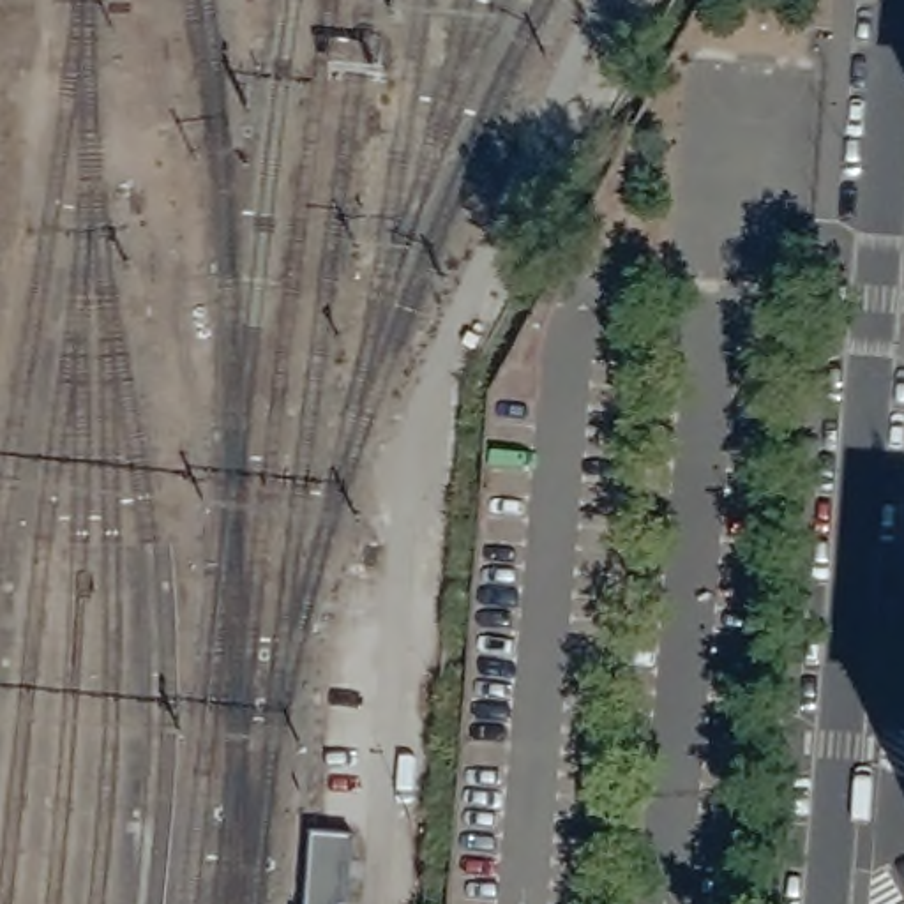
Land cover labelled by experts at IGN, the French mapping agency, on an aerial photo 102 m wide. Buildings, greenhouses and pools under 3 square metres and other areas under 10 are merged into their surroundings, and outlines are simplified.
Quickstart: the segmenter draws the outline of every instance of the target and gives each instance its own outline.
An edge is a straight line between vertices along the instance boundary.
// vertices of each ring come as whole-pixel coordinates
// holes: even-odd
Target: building
[[[332,840],[335,833],[311,830],[304,904],[357,904],[364,897],[364,883],[350,876],[350,844]]]

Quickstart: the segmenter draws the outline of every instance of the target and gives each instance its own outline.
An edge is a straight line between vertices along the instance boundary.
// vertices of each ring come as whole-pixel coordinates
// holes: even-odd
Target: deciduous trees
[[[554,293],[554,286],[565,293],[579,293],[583,272],[590,265],[590,251],[604,237],[611,240],[607,222],[600,222],[600,212],[593,208],[593,194],[611,170],[611,159],[618,155],[622,127],[604,127],[583,141],[561,187],[547,191],[537,180],[526,180],[519,194],[501,194],[498,219],[484,230],[484,244],[494,247],[494,268],[509,293],[501,314],[530,314],[540,300]]]
[[[798,674],[787,674],[787,664],[802,664],[812,643],[830,646],[830,622],[812,618],[812,569],[819,526],[809,523],[809,516],[802,516],[802,509],[812,509],[812,501],[823,494],[826,470],[812,452],[809,424],[819,424],[830,413],[844,417],[844,403],[830,396],[837,374],[833,350],[840,350],[844,335],[851,335],[865,321],[869,307],[855,300],[837,304],[837,268],[826,268],[833,258],[819,244],[819,233],[787,233],[780,261],[773,268],[770,304],[756,307],[749,346],[742,350],[749,378],[735,388],[731,399],[731,406],[742,406],[766,427],[766,434],[759,456],[749,456],[745,466],[731,470],[731,477],[742,477],[749,484],[749,519],[735,523],[738,540],[731,544],[731,551],[759,579],[759,600],[749,604],[745,629],[752,643],[749,657],[756,682],[742,682],[720,692],[727,699],[720,713],[731,717],[735,727],[735,759],[724,787],[724,805],[738,816],[724,865],[731,876],[749,879],[749,893],[738,893],[731,904],[787,904],[787,893],[773,890],[773,879],[784,876],[798,858],[809,858],[809,844],[798,840],[798,826],[791,823],[798,802],[795,780],[802,756],[784,738],[784,727],[802,717],[805,685]]]
[[[639,215],[657,215],[667,208],[667,148],[664,131],[657,124],[653,131],[632,131],[632,155],[622,166],[618,184],[625,208]]]
[[[731,35],[749,14],[777,14],[780,25],[802,28],[816,14],[816,0],[703,0],[692,18],[713,35]]]
[[[417,777],[410,904],[448,904],[452,844],[459,844],[459,830],[452,823],[463,752],[459,735],[466,735],[459,727],[463,696],[456,685],[445,682],[434,696],[424,692],[424,766]]]
[[[593,643],[607,646],[607,653],[593,664],[583,664],[579,692],[572,696],[576,713],[583,713],[586,738],[600,742],[604,749],[604,756],[583,780],[583,802],[586,812],[597,816],[597,823],[593,837],[576,851],[579,872],[572,886],[572,904],[667,904],[674,893],[667,890],[667,872],[660,865],[664,855],[657,851],[657,844],[646,840],[646,812],[671,773],[671,759],[646,749],[657,717],[657,699],[643,689],[636,653],[650,650],[653,657],[660,657],[664,632],[678,618],[674,600],[664,597],[660,569],[678,558],[682,530],[664,526],[664,519],[653,516],[653,505],[657,498],[667,498],[674,491],[674,466],[682,459],[682,438],[674,438],[671,410],[685,413],[699,403],[696,357],[682,350],[682,328],[692,325],[692,318],[713,297],[699,293],[689,275],[667,275],[664,251],[660,244],[653,244],[646,258],[636,258],[625,268],[625,290],[618,293],[607,325],[607,339],[614,350],[622,350],[625,367],[618,371],[618,424],[604,441],[600,459],[611,459],[614,480],[632,491],[629,509],[607,519],[604,551],[618,551],[632,572],[625,611],[600,604],[600,618],[593,618],[593,625],[600,625],[600,636]]]
[[[611,46],[618,53],[597,60],[600,74],[611,85],[622,85],[629,99],[643,102],[678,81],[678,74],[667,64],[671,49],[664,49],[664,42],[674,32],[674,18],[664,14],[643,28],[622,21],[611,35]]]

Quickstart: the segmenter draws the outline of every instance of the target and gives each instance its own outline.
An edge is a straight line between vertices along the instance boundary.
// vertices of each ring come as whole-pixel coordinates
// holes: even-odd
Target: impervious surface
[[[396,413],[396,431],[388,441],[378,445],[378,459],[371,463],[378,505],[371,523],[381,544],[381,583],[350,593],[335,636],[339,660],[332,664],[339,671],[343,689],[328,692],[328,703],[335,703],[335,710],[328,720],[328,742],[318,745],[318,756],[325,756],[332,770],[325,816],[346,819],[346,826],[335,833],[332,840],[350,844],[350,876],[364,883],[364,897],[357,904],[410,904],[417,777],[424,766],[424,692],[438,639],[434,597],[441,579],[445,484],[456,445],[456,378],[466,350],[480,346],[494,318],[501,314],[509,293],[494,268],[494,247],[484,244],[463,268],[459,293],[445,304],[441,332],[417,371],[417,385],[406,396],[406,410]]]
[[[583,802],[583,780],[604,756],[604,749],[600,742],[586,738],[583,713],[576,713],[572,696],[579,692],[583,664],[593,664],[607,653],[607,646],[593,643],[600,636],[600,625],[593,625],[593,618],[600,618],[600,604],[625,611],[632,572],[618,551],[604,551],[607,519],[629,509],[632,491],[614,480],[611,459],[600,459],[604,441],[618,424],[618,371],[625,367],[622,350],[614,350],[607,339],[607,325],[597,325],[600,283],[597,275],[583,272],[579,293],[565,293],[554,286],[554,293],[540,300],[530,314],[509,360],[501,364],[491,385],[491,456],[484,463],[484,509],[473,544],[473,586],[480,586],[480,611],[470,622],[463,696],[459,727],[466,735],[459,735],[463,752],[452,823],[459,830],[459,844],[452,844],[448,904],[572,904],[572,886],[579,872],[576,851],[593,837],[597,823],[597,816],[586,812]]]
[[[809,424],[812,452],[826,470],[823,494],[812,501],[812,509],[802,509],[802,516],[809,516],[809,523],[819,526],[812,569],[812,618],[830,622],[830,646],[812,643],[802,664],[787,664],[787,674],[798,674],[805,685],[802,717],[784,727],[784,738],[802,756],[795,780],[798,802],[791,823],[798,826],[798,840],[809,844],[809,858],[798,858],[784,876],[773,879],[773,890],[787,893],[787,904],[904,904],[904,0],[833,0],[830,21],[816,28],[809,39],[809,67],[780,67],[766,53],[742,53],[738,60],[703,60],[689,74],[689,88],[682,99],[678,215],[667,240],[682,251],[689,275],[699,293],[713,297],[692,318],[692,325],[682,328],[682,350],[696,357],[699,403],[685,413],[671,410],[674,438],[682,438],[682,459],[674,466],[674,491],[667,498],[657,498],[653,505],[653,516],[664,519],[664,526],[682,530],[678,558],[660,569],[664,597],[674,600],[678,618],[664,632],[660,657],[653,657],[650,650],[636,653],[643,689],[657,699],[657,717],[646,749],[671,759],[671,773],[646,812],[646,840],[657,844],[657,851],[664,855],[660,865],[667,872],[667,890],[674,893],[667,904],[731,904],[738,893],[749,893],[749,879],[731,876],[724,865],[738,816],[724,805],[724,787],[735,759],[735,727],[731,717],[720,713],[727,699],[720,692],[742,682],[756,682],[749,657],[752,643],[745,629],[749,604],[759,600],[759,579],[731,551],[731,544],[738,540],[735,523],[749,519],[749,484],[742,477],[731,477],[731,470],[745,466],[749,456],[759,456],[766,434],[766,427],[742,406],[731,406],[731,399],[735,388],[749,378],[742,350],[749,346],[756,307],[770,304],[773,268],[780,261],[787,233],[819,233],[819,244],[833,258],[826,268],[837,268],[837,304],[855,300],[869,307],[865,321],[851,335],[844,335],[840,350],[833,350],[837,374],[830,396],[844,403],[844,417],[830,413],[819,424]]]
[[[498,219],[501,194],[519,194],[526,180],[537,180],[547,191],[561,187],[583,141],[576,127],[583,113],[590,113],[593,106],[622,106],[629,99],[622,85],[611,85],[600,74],[597,60],[618,53],[611,46],[611,35],[622,21],[643,28],[664,14],[664,0],[576,0],[579,32],[569,39],[547,81],[554,106],[533,113],[519,120],[480,120],[473,127],[473,138],[459,152],[459,198],[470,212],[470,222],[484,230]]]

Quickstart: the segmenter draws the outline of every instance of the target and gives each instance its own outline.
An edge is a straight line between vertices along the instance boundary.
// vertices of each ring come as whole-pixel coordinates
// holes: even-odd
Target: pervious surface
[[[381,544],[371,523],[378,505],[371,463],[378,459],[378,445],[388,441],[396,431],[396,413],[406,410],[406,396],[417,385],[417,371],[441,332],[445,304],[459,293],[463,268],[484,244],[484,230],[470,222],[470,212],[459,198],[459,152],[473,138],[473,127],[480,120],[519,120],[533,113],[526,109],[526,99],[516,92],[516,81],[523,78],[523,67],[533,53],[547,53],[540,25],[547,21],[558,0],[71,0],[57,113],[49,120],[42,215],[35,226],[28,226],[28,237],[35,237],[35,258],[21,300],[18,346],[11,378],[4,385],[7,392],[0,424],[0,904],[304,904],[311,830],[335,833],[346,826],[346,819],[325,816],[332,770],[325,756],[318,756],[318,745],[328,742],[328,720],[335,710],[335,703],[328,703],[328,692],[343,689],[339,671],[332,664],[339,660],[335,636],[350,593],[381,583]]]

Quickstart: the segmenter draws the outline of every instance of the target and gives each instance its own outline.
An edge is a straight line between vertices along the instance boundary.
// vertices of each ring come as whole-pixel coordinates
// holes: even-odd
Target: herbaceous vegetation
[[[583,272],[597,275],[600,283],[597,325],[607,325],[618,293],[625,290],[625,268],[636,258],[646,258],[653,244],[660,244],[664,251],[667,275],[689,275],[682,251],[667,240],[678,215],[682,99],[689,88],[689,74],[703,60],[738,60],[742,53],[766,53],[780,67],[809,67],[809,39],[816,28],[830,21],[833,0],[816,0],[816,14],[802,28],[780,25],[777,14],[749,14],[731,35],[713,35],[692,18],[703,0],[664,0],[664,14],[674,18],[674,32],[664,42],[664,49],[671,49],[667,64],[678,74],[678,81],[643,102],[629,99],[622,106],[593,106],[590,113],[583,113],[576,127],[583,141],[604,127],[622,127],[618,155],[611,159],[611,170],[593,194],[593,208],[600,212],[600,222],[607,222],[611,240],[604,237],[590,251],[590,265]],[[625,208],[618,184],[622,166],[632,155],[632,131],[653,131],[657,124],[664,131],[667,148],[667,208],[657,215],[639,215]]]
[[[569,39],[579,32],[576,0],[558,0],[547,21],[540,25],[547,53],[533,53],[523,67],[523,78],[516,81],[516,92],[526,99],[526,109],[533,113],[554,106],[547,81]]]
[[[21,300],[35,258],[35,237],[28,237],[28,226],[35,226],[42,215],[49,120],[57,113],[71,0],[0,0],[0,424],[7,392],[4,385],[11,378],[18,346]]]
[[[501,314],[494,318],[480,346],[491,350],[484,378],[491,385],[501,364],[509,360],[530,314]]]

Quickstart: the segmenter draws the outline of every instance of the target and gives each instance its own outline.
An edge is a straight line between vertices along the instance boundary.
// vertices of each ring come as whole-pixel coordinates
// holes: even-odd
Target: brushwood
[[[480,586],[473,586],[473,544],[484,509],[484,463],[491,456],[491,385],[484,378],[491,350],[480,346],[466,350],[456,378],[456,445],[445,484],[441,579],[434,597],[438,639],[424,692],[434,696],[445,682],[456,685],[463,696],[470,622],[480,611]]]

